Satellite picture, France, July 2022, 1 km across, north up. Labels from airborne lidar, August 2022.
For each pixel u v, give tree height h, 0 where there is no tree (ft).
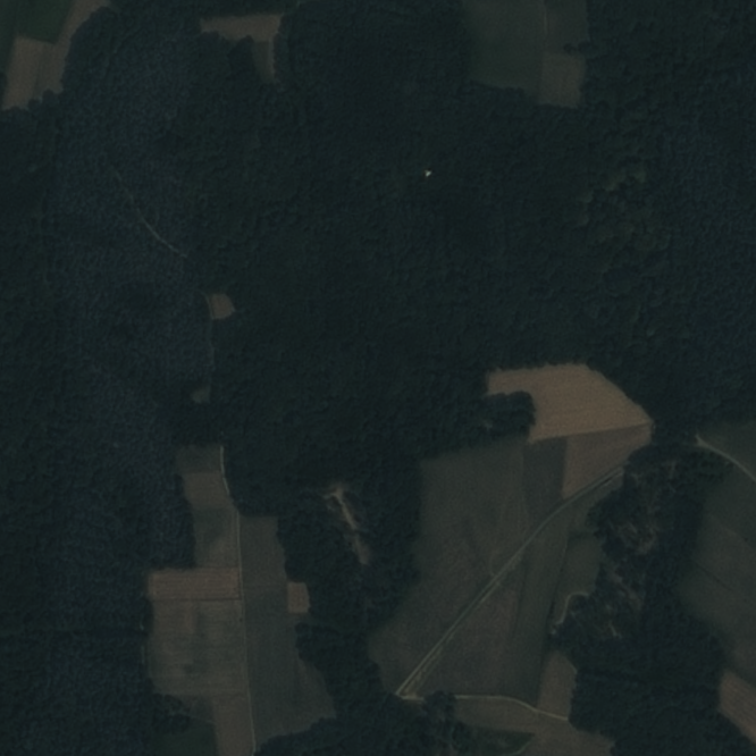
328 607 79
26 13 0
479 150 85
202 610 0
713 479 27
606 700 82
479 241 25
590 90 59
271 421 71
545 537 0
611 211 72
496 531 0
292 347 100
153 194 75
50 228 65
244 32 0
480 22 0
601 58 65
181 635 0
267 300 89
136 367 80
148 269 66
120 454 88
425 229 69
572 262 70
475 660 0
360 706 83
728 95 101
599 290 90
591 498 0
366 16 76
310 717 0
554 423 0
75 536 123
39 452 104
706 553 0
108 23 76
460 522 0
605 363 81
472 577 0
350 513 0
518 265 51
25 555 86
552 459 0
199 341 73
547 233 60
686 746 104
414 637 0
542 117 54
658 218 94
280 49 83
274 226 82
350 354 93
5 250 82
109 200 86
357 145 77
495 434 56
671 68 26
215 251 60
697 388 60
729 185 105
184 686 0
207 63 82
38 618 103
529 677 0
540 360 66
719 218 95
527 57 0
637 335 98
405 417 57
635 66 78
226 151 70
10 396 73
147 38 79
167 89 66
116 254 71
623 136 77
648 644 77
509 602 0
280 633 0
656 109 76
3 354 42
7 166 52
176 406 68
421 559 0
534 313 60
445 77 85
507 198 46
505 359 77
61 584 107
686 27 94
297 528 68
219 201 73
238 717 0
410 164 60
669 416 56
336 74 84
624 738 67
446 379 80
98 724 108
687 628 65
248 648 0
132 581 95
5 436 90
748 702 0
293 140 79
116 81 73
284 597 0
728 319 97
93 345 83
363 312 107
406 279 66
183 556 66
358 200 90
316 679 0
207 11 74
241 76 93
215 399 41
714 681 87
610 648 80
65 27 0
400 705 73
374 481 92
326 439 92
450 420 84
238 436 56
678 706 38
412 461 72
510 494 0
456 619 0
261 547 0
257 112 103
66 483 79
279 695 0
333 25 73
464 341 80
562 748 0
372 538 68
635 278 103
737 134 85
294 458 72
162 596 0
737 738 27
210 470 0
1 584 75
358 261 107
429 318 72
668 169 92
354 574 77
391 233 71
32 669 88
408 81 75
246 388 64
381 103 69
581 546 0
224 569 0
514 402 69
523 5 0
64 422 82
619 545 84
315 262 104
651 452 63
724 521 0
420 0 79
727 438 0
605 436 0
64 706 95
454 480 0
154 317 73
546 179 66
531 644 0
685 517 70
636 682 76
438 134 82
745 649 0
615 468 0
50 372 55
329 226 94
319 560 84
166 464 76
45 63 0
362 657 68
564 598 0
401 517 72
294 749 80
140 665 86
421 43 79
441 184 18
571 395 0
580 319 91
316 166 88
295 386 102
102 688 76
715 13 33
